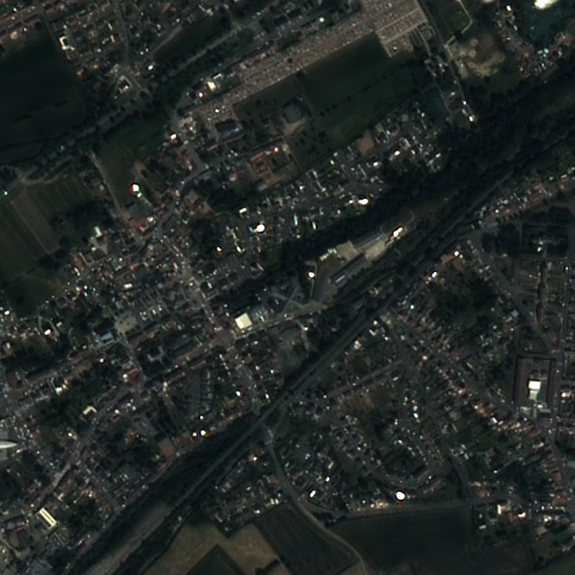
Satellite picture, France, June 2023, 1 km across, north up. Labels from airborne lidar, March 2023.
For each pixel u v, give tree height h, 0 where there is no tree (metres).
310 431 0
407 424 0
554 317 0
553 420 0
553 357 0
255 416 10
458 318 0
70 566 0
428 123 0
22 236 0
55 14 0
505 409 0
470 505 0
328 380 0
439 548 0
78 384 12
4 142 0
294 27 0
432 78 18
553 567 0
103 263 0
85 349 0
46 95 0
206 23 0
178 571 0
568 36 0
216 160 0
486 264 0
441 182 22
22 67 0
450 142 16
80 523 13
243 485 0
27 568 0
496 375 14
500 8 7
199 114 0
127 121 9
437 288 13
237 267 0
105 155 0
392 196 12
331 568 0
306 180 0
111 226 15
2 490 0
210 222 9
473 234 0
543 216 13
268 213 0
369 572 0
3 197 0
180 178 0
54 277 0
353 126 0
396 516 0
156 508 0
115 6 0
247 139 8
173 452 0
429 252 12
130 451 6
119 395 0
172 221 0
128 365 0
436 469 0
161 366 19
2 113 0
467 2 0
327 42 0
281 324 0
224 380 0
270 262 0
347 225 8
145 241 0
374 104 0
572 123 13
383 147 0
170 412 0
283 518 0
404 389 0
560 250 21
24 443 0
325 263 0
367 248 0
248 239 0
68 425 10
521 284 0
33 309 0
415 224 0
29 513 0
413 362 0
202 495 9
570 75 18
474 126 16
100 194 0
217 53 12
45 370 0
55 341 0
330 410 0
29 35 0
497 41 0
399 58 0
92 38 0
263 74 0
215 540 0
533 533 0
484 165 0
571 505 0
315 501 0
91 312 11
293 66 0
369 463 0
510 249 18
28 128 0
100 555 9
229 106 0
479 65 0
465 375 0
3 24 0
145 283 7
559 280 0
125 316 0
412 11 0
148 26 0
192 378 0
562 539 0
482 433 0
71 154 8
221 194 9
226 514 0
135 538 0
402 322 0
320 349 13
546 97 12
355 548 0
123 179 0
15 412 0
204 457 6
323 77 0
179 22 0
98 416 0
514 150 0
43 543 0
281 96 0
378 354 0
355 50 0
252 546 0
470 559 0
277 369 0
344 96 0
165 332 0
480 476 0
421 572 0
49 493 0
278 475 0
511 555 0
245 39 0
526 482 6
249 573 0
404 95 0
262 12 0
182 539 0
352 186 0
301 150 0
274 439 0
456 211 9
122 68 0
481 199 0
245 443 7
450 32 0
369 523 0
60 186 0
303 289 6
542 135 18
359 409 0
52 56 0
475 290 7
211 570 0
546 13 0
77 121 0
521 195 0
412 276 13
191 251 0
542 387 0
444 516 0
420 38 0
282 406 0
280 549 0
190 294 0
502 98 18
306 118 0
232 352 0
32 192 0
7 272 0
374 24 0
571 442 0
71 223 10
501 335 0
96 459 6
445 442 0
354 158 8
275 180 0
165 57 0
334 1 19
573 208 0
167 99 10
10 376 0
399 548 0
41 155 6
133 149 0
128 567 8
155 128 0
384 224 0
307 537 0
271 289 0
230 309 8
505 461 0
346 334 0
